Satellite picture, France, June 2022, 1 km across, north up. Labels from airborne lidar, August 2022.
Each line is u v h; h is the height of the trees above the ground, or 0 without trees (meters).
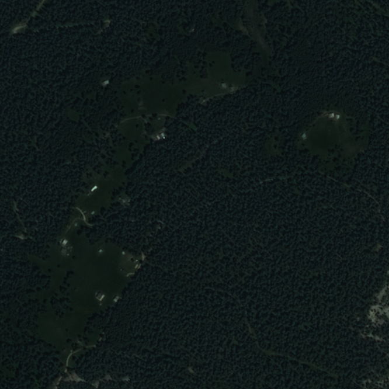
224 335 27
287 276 27
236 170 21
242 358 24
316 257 23
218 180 25
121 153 0
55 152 13
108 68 23
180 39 25
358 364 19
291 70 25
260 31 0
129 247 17
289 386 24
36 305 19
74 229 0
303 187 18
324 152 0
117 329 22
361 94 24
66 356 0
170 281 22
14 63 19
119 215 11
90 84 23
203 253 20
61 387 10
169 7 20
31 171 25
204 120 26
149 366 20
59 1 27
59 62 31
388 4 26
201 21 25
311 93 21
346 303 25
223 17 23
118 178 0
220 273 28
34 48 20
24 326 15
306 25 25
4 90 10
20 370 21
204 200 23
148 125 17
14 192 19
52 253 0
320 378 25
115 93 20
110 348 13
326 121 0
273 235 15
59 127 25
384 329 15
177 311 29
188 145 28
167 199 23
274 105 20
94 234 28
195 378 10
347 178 6
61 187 15
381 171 22
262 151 25
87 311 0
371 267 24
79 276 0
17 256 35
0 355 21
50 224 21
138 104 0
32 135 26
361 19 10
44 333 0
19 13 20
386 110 27
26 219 22
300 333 26
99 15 17
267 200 15
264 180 16
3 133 24
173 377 24
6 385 25
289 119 27
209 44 26
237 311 24
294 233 21
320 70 27
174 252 20
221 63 0
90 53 29
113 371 18
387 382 8
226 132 22
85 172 24
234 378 16
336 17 13
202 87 0
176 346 23
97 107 22
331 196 24
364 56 27
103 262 0
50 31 22
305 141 0
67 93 29
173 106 0
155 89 0
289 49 23
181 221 22
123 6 27
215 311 20
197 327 20
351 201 25
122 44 23
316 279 26
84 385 12
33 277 19
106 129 24
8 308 20
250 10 0
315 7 23
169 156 26
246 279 28
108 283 0
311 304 25
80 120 8
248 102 25
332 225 21
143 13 28
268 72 8
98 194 0
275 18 16
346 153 0
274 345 21
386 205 19
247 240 23
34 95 24
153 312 19
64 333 0
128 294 22
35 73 27
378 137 23
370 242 24
